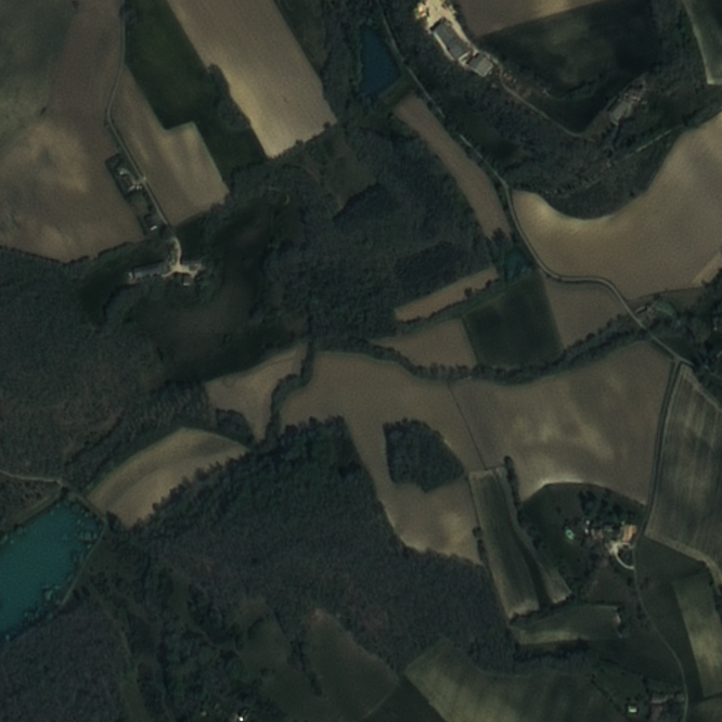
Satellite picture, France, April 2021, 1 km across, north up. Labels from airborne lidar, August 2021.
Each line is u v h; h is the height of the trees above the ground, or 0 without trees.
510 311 0
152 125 0
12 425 13
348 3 11
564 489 0
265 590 18
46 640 24
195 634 10
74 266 12
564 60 0
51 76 0
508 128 24
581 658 24
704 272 0
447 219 16
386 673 0
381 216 15
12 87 0
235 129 10
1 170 0
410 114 0
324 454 23
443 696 0
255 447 6
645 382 0
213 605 17
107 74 0
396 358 17
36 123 0
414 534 0
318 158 6
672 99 6
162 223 0
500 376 13
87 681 13
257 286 0
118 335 22
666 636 0
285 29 0
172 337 0
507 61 13
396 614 15
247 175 14
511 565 0
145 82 0
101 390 10
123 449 10
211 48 0
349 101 11
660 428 0
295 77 0
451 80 22
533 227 0
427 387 0
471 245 20
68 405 11
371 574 17
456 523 0
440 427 0
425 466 17
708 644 0
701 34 0
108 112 0
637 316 0
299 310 14
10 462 15
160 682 0
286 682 0
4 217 0
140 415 18
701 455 0
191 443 0
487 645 17
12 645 21
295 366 0
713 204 0
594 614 0
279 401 14
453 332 0
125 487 0
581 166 8
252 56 0
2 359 13
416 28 18
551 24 0
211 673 16
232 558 15
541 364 0
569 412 0
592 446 0
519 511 6
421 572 20
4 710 9
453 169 0
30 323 19
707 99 0
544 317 0
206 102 0
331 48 15
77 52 0
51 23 0
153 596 14
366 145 20
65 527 0
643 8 0
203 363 0
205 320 0
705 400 0
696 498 0
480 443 0
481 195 0
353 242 19
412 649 12
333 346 14
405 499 0
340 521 20
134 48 0
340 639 0
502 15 0
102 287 0
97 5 0
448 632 16
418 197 24
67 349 17
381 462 0
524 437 0
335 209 14
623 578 0
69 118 0
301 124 0
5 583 0
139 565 9
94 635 16
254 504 23
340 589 10
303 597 14
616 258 0
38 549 0
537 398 0
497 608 25
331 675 0
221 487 14
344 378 0
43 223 0
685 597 0
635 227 0
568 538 0
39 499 8
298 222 0
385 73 0
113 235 0
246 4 0
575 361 10
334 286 14
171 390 18
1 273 10
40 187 0
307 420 0
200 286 15
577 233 0
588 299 0
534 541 8
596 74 0
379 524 14
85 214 0
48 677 25
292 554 17
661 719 10
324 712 0
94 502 0
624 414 0
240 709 6
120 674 19
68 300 19
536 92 0
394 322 18
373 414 0
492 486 0
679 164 0
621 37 0
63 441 18
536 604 0
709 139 0
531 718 0
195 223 0
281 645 0
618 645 0
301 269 15
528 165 17
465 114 0
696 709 0
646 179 9
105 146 0
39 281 13
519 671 14
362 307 14
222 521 22
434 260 21
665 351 0
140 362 11
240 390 0
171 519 8
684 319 16
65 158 0
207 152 0
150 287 18
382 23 30
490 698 0
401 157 22
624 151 19
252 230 0
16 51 0
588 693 0
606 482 0
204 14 0
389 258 17
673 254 0
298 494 26
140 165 0
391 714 0
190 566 19
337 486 26
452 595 19
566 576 16
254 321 15
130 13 16
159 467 0
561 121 0
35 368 18
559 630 0
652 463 0
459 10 14
